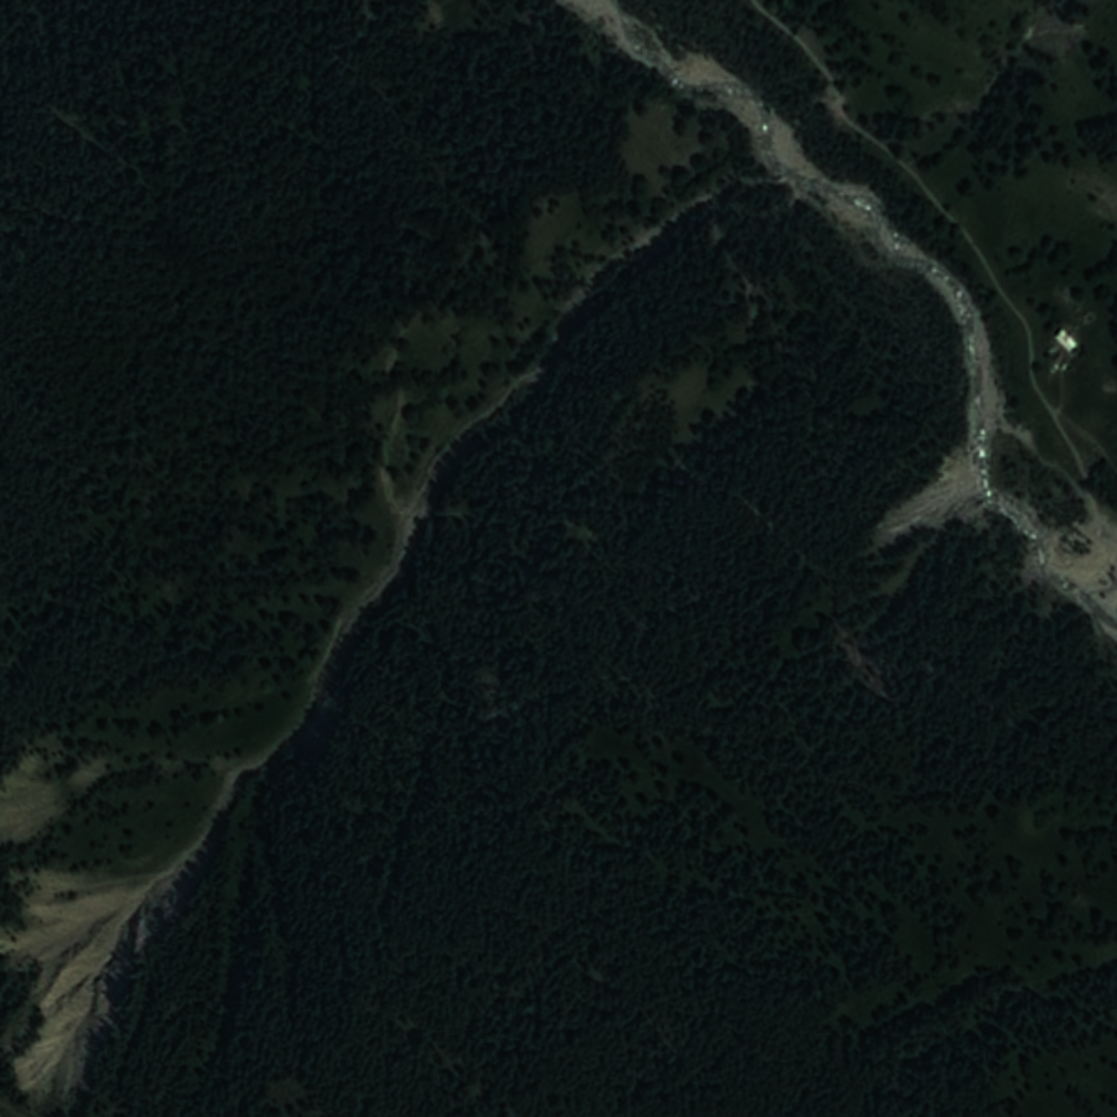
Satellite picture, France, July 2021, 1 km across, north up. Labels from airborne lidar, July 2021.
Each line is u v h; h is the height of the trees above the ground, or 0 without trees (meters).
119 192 22
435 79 20
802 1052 29
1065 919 20
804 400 22
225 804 0
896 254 0
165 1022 13
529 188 23
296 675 20
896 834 14
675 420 11
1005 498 0
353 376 9
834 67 16
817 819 19
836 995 23
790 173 0
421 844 28
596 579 31
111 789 10
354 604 0
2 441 29
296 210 22
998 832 0
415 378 10
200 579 6
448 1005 27
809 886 25
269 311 18
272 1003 24
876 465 25
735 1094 30
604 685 25
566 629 30
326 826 31
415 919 23
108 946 0
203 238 21
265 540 16
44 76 27
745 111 0
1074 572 0
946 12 15
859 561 23
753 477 25
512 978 23
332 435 11
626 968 25
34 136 24
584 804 10
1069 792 10
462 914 25
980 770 19
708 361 16
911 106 16
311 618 0
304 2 25
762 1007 28
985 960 0
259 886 24
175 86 26
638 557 27
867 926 15
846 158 15
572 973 28
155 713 0
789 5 13
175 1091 13
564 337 7
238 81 16
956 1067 30
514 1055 26
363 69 12
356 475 10
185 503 7
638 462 12
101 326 18
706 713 19
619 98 21
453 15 0
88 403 12
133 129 13
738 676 12
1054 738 22
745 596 25
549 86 19
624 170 34
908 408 17
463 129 33
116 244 20
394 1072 18
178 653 20
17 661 11
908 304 12
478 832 25
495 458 28
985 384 0
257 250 16
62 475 17
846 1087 30
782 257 24
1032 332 0
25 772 0
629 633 26
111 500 12
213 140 17
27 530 30
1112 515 0
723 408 0
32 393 24
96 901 0
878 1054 30
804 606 25
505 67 33
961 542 11
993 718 30
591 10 0
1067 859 22
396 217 26
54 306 16
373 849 29
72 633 26
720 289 15
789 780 26
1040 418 0
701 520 26
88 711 11
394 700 28
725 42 6
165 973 12
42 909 0
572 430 28
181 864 0
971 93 0
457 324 0
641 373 22
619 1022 26
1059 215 0
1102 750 8
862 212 0
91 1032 0
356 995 18
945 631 23
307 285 18
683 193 15
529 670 28
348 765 26
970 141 7
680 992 30
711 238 26
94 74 20
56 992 0
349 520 10
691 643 24
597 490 14
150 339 19
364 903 23
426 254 25
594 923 20
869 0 0
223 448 12
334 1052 19
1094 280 16
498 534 23
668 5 6
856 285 16
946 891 17
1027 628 20
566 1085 26
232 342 16
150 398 20
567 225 0
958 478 0
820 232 20
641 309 20
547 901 25
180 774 6
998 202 0
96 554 15
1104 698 20
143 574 21
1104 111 0
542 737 20
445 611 28
